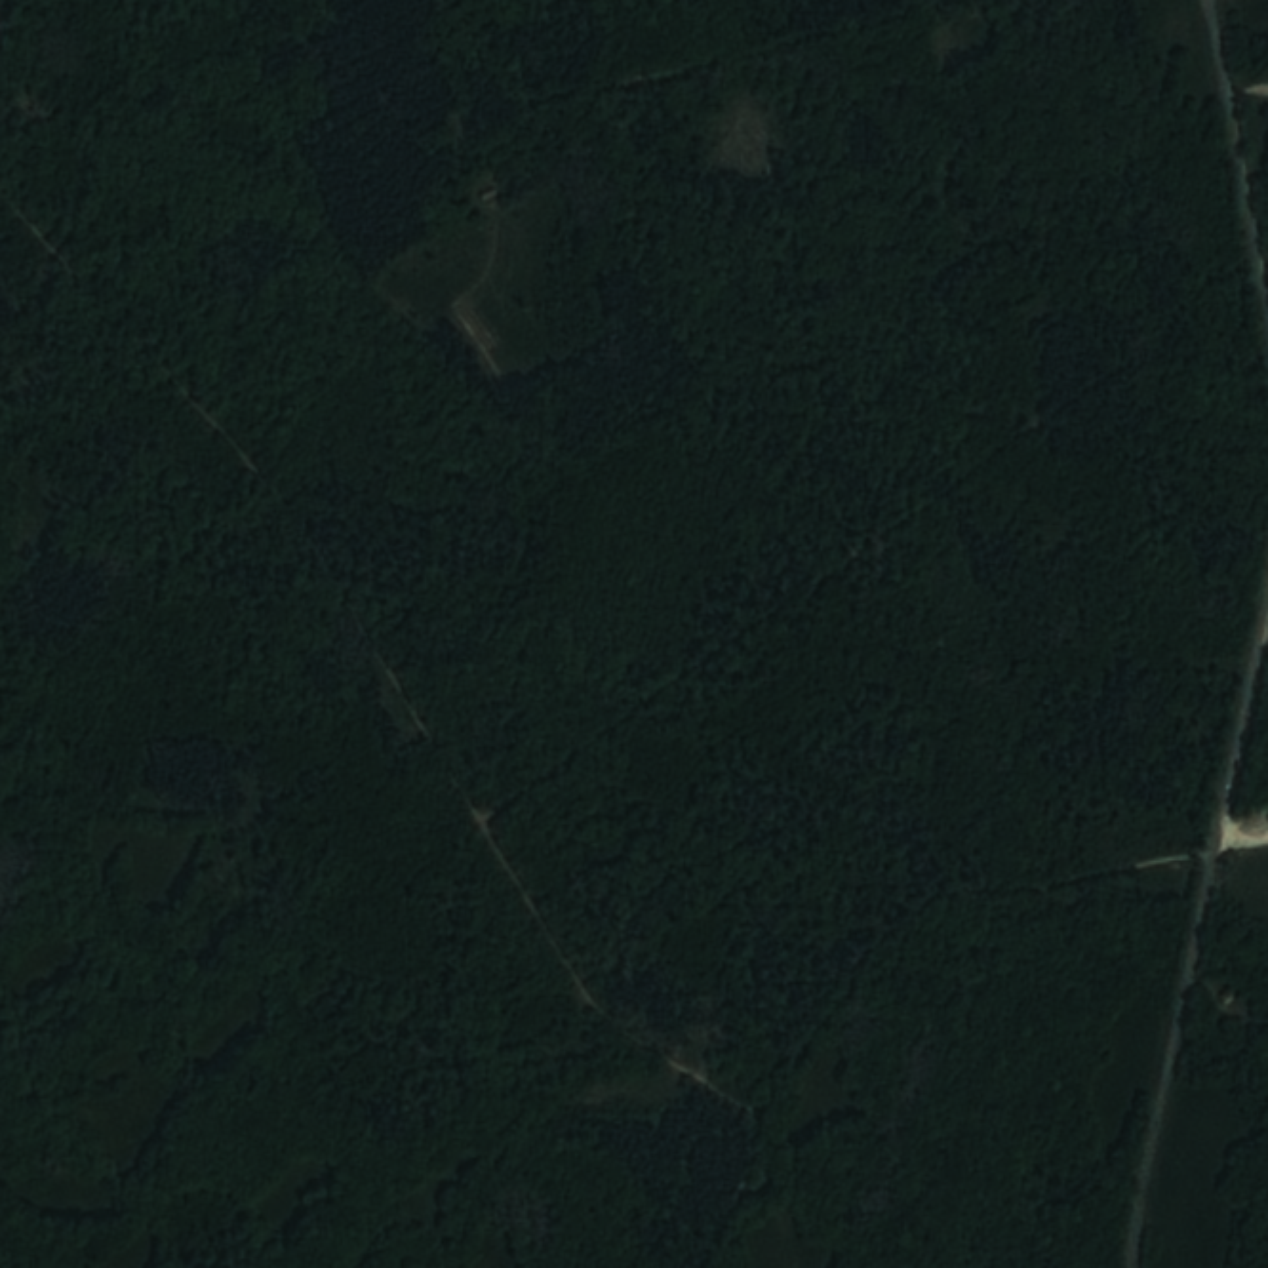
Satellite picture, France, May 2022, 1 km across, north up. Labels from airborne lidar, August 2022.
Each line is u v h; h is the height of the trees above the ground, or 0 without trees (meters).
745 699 8
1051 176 16
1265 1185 17
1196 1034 11
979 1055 19
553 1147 23
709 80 19
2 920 19
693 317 18
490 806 12
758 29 14
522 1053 16
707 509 10
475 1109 16
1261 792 18
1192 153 7
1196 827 17
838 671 9
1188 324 17
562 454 20
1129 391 18
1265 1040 18
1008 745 12
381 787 10
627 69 18
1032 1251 19
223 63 21
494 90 19
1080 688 7
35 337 11
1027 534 11
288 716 9
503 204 14
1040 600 15
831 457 15
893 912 10
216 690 11
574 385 15
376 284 17
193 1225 9
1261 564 10
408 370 19
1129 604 14
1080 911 10
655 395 16
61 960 0
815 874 15
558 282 9
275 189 19
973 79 23
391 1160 15
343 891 10
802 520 19
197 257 16
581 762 19
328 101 19
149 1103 0
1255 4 0
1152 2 0
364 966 9
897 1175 19
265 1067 19
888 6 15
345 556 13
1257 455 11
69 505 16
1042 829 10
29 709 9
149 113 23
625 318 17
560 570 10
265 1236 17
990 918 13
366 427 10
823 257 22
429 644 21
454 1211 12
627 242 14
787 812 8
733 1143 21
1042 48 12
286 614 18
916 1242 21
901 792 12
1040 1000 20
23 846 25
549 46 16
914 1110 17
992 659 9
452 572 26
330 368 15
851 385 16
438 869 11
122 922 17
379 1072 11
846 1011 19
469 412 18
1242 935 6
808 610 11
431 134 17
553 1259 17
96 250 18
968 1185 19
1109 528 12
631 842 23
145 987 18
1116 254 17
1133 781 19
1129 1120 11
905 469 16
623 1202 16
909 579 11
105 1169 15
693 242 19
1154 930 18
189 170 21
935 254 17
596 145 17
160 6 18
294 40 14
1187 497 12
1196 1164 0
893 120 18
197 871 17
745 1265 13
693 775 8
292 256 19
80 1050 22
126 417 14
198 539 17
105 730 11
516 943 9
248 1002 0
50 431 18
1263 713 19
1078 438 16
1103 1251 17
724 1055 15
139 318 15
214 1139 18
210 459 14
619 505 9
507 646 17
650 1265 18
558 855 17
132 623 11
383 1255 21
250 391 22
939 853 10
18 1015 11
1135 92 17
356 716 10
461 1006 18
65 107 9
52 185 12
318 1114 18
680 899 12
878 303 17
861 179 14
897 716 20
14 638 19
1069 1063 18
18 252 8
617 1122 10
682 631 10
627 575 10
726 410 17
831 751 12
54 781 10
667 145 17
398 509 22
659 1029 18
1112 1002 17
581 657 18
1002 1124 17
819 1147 20
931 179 25
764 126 0
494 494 15
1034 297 9
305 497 14
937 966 15
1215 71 0
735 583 19
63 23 10
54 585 19
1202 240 8
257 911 13
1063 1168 19
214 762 18
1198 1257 0
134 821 17
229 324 12
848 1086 15
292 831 11
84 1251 14
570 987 11
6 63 18
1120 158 21
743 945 21
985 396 7
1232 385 25
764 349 19
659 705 17
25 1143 19
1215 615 10
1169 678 9
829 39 15
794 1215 15
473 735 17
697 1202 23
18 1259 17
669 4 15
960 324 22
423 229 19
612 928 15
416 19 23
